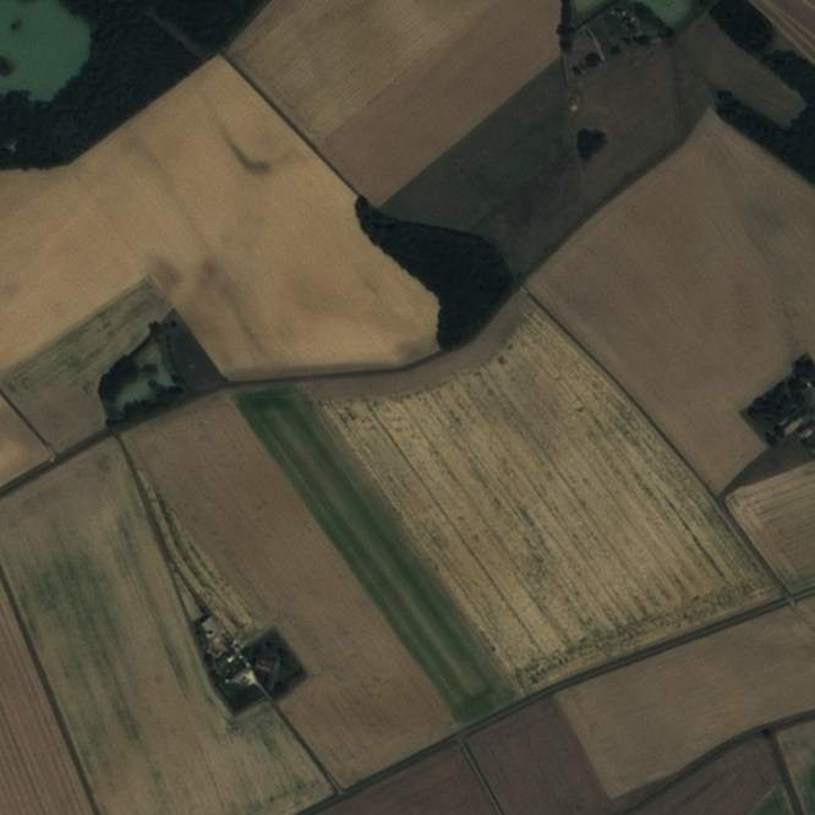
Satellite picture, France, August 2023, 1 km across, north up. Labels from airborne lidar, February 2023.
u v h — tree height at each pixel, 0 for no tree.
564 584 0
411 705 0
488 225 0
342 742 0
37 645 0
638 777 0
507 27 0
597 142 19
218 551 0
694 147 0
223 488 0
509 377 0
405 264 14
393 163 0
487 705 0
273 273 0
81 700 0
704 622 0
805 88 17
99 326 0
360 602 0
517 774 0
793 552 0
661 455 0
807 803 0
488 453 0
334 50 0
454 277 16
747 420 0
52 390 0
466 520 0
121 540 0
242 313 0
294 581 0
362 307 0
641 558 0
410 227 11
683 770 0
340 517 0
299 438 0
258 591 0
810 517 0
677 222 0
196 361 0
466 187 0
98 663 0
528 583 0
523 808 0
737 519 0
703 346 0
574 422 0
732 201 0
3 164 9
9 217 0
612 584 0
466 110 0
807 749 0
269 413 0
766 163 0
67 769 0
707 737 0
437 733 0
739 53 0
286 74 0
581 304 0
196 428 0
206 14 20
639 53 0
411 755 0
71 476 0
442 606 0
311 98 0
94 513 0
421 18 0
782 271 0
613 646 0
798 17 0
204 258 0
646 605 0
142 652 0
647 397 0
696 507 0
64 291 0
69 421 0
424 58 0
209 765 0
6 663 0
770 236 0
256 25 0
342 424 0
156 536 0
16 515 0
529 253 0
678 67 0
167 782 0
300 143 0
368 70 0
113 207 0
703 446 0
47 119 14
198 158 0
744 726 0
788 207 0
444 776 0
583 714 0
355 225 0
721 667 0
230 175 0
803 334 0
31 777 0
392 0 0
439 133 0
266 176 0
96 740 0
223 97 0
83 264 0
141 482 0
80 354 0
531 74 0
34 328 0
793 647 0
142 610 0
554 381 0
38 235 0
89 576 0
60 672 0
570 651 0
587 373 0
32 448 0
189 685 0
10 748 0
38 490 0
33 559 0
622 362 0
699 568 0
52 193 0
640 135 0
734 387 0
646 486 0
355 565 0
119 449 0
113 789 0
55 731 0
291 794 0
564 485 0
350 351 0
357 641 0
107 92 7
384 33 0
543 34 0
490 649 0
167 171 0
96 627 0
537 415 0
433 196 0
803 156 15
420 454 0
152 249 0
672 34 14
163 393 14
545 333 0
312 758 0
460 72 0
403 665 0
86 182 0
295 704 0
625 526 0
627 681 0
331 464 0
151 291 0
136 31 9
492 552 0
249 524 0
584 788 0
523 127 0
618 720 0
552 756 0
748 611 0
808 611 0
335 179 0
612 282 0
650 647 0
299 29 0
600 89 0
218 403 0
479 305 14
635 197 0
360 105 0
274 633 0
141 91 11
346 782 0
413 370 0
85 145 6
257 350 0
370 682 0
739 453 0
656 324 0
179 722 0
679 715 0
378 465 0
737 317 0
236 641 0
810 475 0
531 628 0
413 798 0
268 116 0
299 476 0
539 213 0
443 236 13
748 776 0
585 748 0
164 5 16
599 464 0
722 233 0
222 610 0
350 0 0
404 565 0
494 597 0
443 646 0
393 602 0
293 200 0
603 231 0
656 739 0
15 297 0
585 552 0
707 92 0
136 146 0
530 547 0
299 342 0
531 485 0
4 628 0
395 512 0
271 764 0
